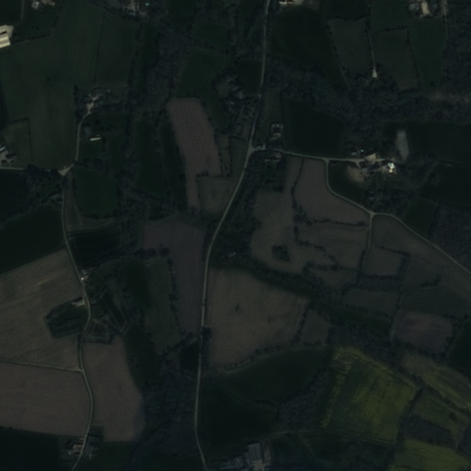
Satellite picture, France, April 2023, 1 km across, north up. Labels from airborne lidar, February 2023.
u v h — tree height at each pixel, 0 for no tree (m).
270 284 0
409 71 0
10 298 0
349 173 0
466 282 0
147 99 15
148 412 17
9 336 0
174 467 0
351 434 0
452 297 0
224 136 11
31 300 0
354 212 0
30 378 0
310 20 0
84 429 0
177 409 13
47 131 0
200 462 9
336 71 0
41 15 0
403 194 6
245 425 0
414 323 0
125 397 0
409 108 15
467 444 15
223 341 0
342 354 0
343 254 0
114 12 18
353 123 13
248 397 0
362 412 0
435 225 15
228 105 6
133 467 8
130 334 0
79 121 9
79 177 0
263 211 0
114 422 0
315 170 0
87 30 0
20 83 0
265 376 0
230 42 16
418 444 0
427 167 16
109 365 0
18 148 0
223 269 0
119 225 0
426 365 0
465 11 9
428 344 0
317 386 10
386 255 0
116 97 9
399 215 12
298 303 0
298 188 0
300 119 0
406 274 13
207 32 0
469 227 22
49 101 0
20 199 0
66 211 0
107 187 0
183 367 0
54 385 0
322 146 0
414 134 0
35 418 0
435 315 0
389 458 13
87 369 0
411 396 0
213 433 0
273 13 8
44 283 0
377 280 13
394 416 0
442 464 0
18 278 0
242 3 0
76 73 0
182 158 16
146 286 0
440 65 0
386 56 0
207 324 0
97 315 0
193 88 0
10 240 0
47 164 0
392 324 13
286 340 0
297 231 10
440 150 0
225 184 0
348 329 8
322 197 0
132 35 0
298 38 0
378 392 0
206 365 18
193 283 0
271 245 0
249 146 0
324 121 0
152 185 0
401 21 0
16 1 0
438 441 12
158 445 11
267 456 0
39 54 0
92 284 6
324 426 0
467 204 0
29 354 0
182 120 0
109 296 0
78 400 0
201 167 0
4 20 0
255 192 14
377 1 0
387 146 16
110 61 0
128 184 13
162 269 0
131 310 8
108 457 0
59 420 0
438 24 0
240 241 0
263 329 0
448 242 22
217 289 0
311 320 0
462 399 0
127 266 0
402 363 0
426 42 0
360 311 12
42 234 0
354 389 0
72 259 0
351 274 0
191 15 0
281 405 12
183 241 0
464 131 0
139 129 0
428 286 10
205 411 0
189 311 0
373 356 17
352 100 22
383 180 0
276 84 20
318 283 12
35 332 0
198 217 15
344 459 0
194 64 0
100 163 14
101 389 0
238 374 0
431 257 0
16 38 7
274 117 0
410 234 0
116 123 0
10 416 0
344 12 0
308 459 0
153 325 0
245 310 0
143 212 19
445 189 0
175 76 31
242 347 0
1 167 0
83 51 0
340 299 0
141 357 0
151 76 18
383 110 14
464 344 0
